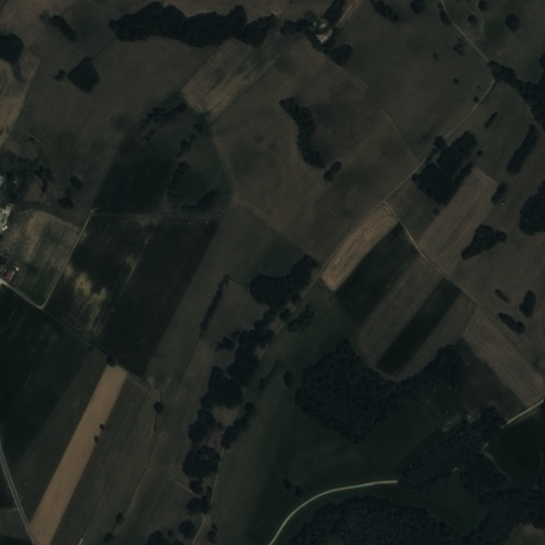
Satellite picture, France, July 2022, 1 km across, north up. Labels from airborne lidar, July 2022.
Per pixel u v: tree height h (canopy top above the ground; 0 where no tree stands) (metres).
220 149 0
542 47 0
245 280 0
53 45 0
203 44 14
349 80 0
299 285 19
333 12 12
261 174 0
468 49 0
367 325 0
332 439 0
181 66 0
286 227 0
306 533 17
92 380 0
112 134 0
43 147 0
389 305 0
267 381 6
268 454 0
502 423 13
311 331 0
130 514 0
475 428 17
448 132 0
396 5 0
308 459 0
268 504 0
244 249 0
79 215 0
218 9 0
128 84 0
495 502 22
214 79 0
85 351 0
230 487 0
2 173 0
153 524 0
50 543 0
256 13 0
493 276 0
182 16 17
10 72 0
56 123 0
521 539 0
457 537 9
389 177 0
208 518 0
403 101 0
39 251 0
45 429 0
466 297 0
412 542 23
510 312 0
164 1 0
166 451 0
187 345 0
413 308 0
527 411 0
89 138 0
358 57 0
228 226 0
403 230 0
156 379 0
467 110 0
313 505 0
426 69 0
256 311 0
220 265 0
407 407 0
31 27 0
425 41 0
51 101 0
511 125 0
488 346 0
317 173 0
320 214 0
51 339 0
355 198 0
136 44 0
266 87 0
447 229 0
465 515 0
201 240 0
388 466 0
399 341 0
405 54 0
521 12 0
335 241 0
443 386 0
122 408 0
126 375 0
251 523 0
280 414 0
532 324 0
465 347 0
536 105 22
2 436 0
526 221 19
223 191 0
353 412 19
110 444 0
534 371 0
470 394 0
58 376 0
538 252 0
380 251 0
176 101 0
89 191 0
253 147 0
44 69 0
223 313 0
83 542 0
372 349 0
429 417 0
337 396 20
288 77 0
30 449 0
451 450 24
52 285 0
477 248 12
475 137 7
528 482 0
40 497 0
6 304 0
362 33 0
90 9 0
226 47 0
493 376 0
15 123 0
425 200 0
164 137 0
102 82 0
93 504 0
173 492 0
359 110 0
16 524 0
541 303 0
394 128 0
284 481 0
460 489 0
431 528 25
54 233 0
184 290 0
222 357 0
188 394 0
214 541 14
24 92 0
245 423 18
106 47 0
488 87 0
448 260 0
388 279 0
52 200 0
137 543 0
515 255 0
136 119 0
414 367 0
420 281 0
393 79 0
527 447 0
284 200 0
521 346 0
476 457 22
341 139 0
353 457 0
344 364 21
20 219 0
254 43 16
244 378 17
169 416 0
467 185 0
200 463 20
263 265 0
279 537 0
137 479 0
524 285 0
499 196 8
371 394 19
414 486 16
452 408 0
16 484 0
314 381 18
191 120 0
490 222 0
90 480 0
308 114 13
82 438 0
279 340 0
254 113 0
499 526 20
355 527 22
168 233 0
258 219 0
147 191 0
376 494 0
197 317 0
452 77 0
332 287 0
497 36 0
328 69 0
